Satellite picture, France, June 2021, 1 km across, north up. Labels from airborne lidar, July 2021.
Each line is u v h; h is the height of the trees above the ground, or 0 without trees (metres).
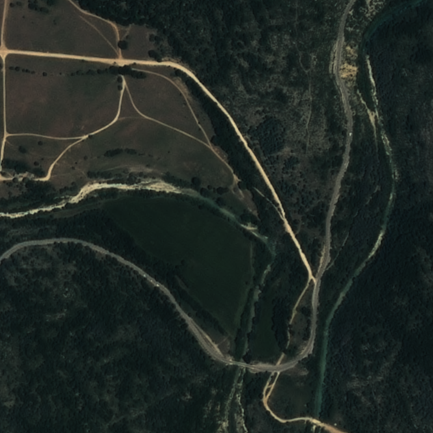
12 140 0
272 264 7
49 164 0
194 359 12
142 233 0
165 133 0
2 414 9
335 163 11
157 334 10
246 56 7
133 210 0
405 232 11
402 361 8
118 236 8
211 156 0
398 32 8
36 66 0
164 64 0
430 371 13
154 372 10
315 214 12
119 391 7
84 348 10
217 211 11
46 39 0
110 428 6
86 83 0
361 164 9
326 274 6
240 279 0
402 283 11
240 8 7
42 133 0
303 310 10
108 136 0
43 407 10
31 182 13
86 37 0
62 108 0
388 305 9
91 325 13
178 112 0
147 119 0
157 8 7
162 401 8
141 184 0
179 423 8
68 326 8
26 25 0
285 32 0
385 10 11
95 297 12
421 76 0
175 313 10
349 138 0
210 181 0
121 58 0
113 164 0
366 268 11
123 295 7
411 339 11
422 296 9
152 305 10
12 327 7
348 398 10
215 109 11
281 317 12
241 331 26
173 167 0
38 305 9
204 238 0
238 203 0
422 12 10
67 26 0
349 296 14
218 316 0
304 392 0
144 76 16
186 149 0
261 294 6
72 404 9
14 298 10
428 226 8
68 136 0
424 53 11
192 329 0
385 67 12
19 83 0
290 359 0
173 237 0
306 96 0
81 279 10
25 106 0
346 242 7
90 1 19
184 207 0
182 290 10
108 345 9
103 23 0
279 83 0
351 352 6
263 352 0
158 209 0
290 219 10
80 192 0
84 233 9
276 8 0
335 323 9
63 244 9
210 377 8
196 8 10
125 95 0
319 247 7
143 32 0
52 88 0
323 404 9
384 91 8
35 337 7
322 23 11
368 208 9
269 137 8
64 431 9
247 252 0
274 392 0
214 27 6
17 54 0
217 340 0
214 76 8
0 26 0
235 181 0
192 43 7
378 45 11
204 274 0
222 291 0
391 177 6
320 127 0
